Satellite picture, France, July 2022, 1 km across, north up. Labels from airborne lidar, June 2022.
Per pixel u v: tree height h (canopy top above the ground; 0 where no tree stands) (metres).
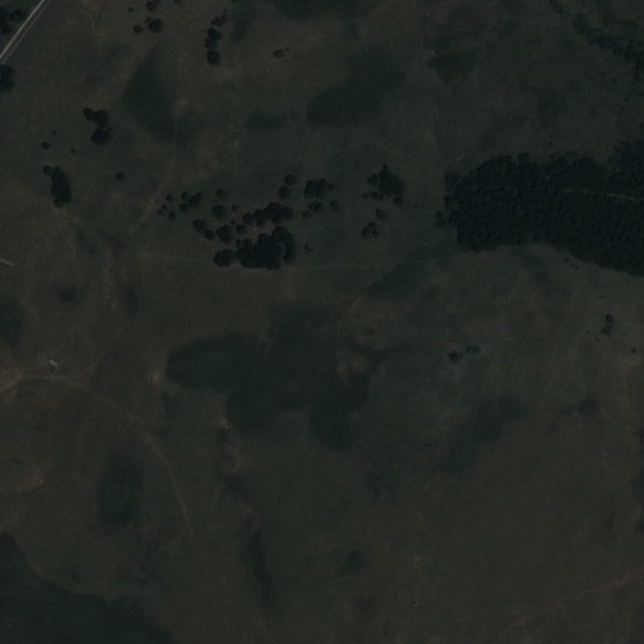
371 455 0
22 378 0
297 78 0
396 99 0
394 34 0
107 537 0
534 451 0
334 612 0
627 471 0
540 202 13
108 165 0
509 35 0
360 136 0
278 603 0
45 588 0
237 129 0
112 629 0
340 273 0
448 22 0
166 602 0
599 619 0
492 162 11
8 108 0
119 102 0
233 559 0
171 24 0
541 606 0
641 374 0
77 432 0
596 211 13
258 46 0
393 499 0
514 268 0
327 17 0
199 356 0
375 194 11
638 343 0
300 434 0
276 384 0
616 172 6
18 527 0
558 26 0
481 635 0
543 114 0
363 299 0
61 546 0
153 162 0
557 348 0
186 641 0
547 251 0
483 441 0
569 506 0
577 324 0
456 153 0
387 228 0
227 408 0
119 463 0
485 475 0
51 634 0
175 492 0
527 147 0
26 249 0
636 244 19
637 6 0
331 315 0
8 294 0
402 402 0
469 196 14
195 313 0
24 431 0
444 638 0
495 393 0
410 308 0
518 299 0
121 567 0
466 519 0
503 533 0
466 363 0
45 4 0
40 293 0
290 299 0
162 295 0
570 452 0
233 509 0
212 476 0
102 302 0
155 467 0
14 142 0
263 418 0
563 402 0
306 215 9
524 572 0
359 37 0
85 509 0
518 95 0
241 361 0
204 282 0
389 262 0
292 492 0
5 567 0
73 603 0
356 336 0
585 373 0
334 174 0
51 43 0
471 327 0
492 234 13
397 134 0
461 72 0
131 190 0
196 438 0
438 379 0
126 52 0
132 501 0
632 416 0
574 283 0
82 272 0
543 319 0
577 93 0
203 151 0
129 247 0
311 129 0
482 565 0
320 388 0
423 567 0
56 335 0
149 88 0
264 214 12
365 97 0
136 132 0
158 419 0
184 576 0
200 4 0
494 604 0
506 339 0
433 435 0
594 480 0
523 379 0
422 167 0
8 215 0
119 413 0
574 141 0
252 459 0
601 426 0
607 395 0
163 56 0
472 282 0
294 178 12
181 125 0
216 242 0
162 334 0
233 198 0
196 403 0
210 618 0
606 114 0
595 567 0
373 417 0
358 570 0
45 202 0
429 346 0
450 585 0
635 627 0
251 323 0
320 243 0
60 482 0
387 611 0
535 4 0
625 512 0
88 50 0
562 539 0
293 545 0
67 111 0
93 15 0
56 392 0
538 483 0
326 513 0
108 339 0
